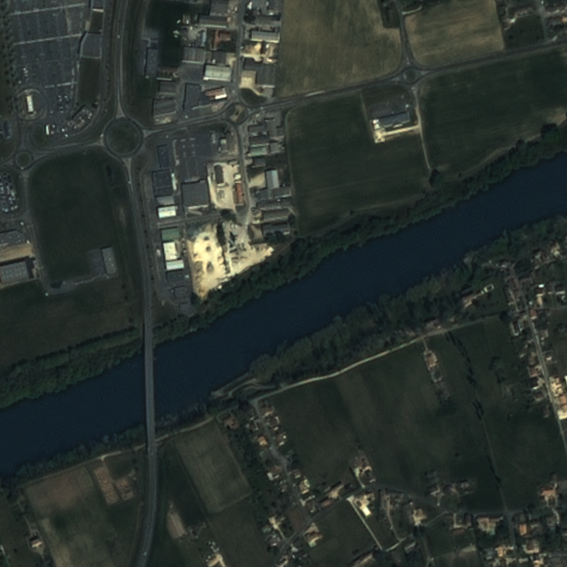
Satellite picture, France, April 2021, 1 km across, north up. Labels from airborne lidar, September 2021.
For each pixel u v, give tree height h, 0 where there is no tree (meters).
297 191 0
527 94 0
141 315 0
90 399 0
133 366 0
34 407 0
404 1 14
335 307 0
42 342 0
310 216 0
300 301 0
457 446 0
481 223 0
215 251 0
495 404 0
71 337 0
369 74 0
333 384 0
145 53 0
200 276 0
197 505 0
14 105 12
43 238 0
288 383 12
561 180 0
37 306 0
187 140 0
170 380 0
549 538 15
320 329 0
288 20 0
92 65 0
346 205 0
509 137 0
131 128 0
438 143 0
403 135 0
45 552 0
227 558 0
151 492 0
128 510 0
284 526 6
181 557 0
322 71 0
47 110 0
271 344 0
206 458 0
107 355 9
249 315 0
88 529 0
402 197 0
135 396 0
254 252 0
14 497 16
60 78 0
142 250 0
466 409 0
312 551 0
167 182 0
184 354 0
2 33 10
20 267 0
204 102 0
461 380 0
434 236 0
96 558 0
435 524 0
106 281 0
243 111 0
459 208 0
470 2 0
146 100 0
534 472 0
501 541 12
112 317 0
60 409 0
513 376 0
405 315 0
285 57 0
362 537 0
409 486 0
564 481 0
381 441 0
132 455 9
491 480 0
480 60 0
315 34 0
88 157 0
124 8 0
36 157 0
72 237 0
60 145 0
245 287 17
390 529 0
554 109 0
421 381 0
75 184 0
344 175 0
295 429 0
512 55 0
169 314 0
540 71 0
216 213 0
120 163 0
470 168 0
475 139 0
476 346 0
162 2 0
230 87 0
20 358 0
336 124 0
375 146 0
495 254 18
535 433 0
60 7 0
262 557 0
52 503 0
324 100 0
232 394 0
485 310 11
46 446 0
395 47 0
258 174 0
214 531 0
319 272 0
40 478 16
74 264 0
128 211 0
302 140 0
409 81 0
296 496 0
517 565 0
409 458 0
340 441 0
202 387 0
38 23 0
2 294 0
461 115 0
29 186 0
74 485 0
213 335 0
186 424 19
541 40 7
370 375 0
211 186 0
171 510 0
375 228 21
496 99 0
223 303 21
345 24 0
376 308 8
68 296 0
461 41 0
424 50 0
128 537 0
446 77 0
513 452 0
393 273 0
